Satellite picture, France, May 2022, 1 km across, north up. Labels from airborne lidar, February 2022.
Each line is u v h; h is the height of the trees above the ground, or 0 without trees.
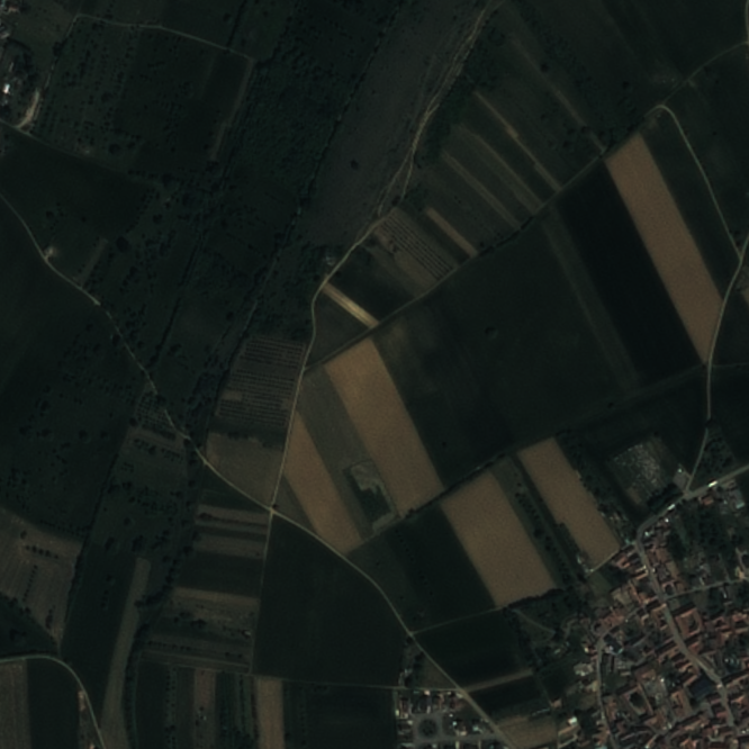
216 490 0
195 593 0
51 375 0
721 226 0
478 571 0
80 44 0
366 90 0
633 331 0
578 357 0
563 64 10
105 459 0
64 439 0
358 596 0
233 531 0
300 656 0
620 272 0
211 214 11
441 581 0
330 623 0
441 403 0
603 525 0
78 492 0
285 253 0
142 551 12
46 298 0
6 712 0
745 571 0
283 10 0
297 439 0
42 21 0
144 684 0
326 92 7
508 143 0
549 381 0
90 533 9
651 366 0
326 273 0
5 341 0
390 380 0
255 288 8
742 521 0
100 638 0
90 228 0
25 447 0
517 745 0
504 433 0
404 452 0
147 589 0
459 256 0
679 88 0
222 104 0
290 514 0
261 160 6
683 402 0
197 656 0
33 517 0
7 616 0
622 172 0
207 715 0
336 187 0
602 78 0
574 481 0
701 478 0
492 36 11
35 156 0
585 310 0
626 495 0
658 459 0
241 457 0
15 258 0
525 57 0
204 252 11
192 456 6
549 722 0
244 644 0
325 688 6
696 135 0
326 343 0
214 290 6
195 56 0
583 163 0
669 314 0
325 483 0
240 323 0
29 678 0
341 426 0
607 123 10
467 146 0
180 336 0
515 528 0
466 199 0
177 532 0
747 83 0
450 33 0
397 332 0
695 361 0
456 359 0
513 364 0
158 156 0
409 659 0
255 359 0
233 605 0
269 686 0
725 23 0
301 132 6
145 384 0
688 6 0
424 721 0
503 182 0
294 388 0
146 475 0
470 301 0
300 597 0
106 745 0
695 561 0
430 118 0
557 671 0
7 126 0
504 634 0
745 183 0
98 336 0
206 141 0
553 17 0
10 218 0
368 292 0
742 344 0
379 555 0
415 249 0
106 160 0
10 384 0
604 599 0
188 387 0
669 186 0
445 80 0
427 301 0
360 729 0
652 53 0
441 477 0
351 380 0
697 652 0
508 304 0
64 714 0
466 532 0
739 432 0
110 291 0
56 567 0
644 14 0
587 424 0
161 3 0
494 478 0
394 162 0
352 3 11
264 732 0
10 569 0
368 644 0
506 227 0
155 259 9
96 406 0
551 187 0
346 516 0
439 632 0
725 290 0
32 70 12
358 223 0
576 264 0
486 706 0
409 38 0
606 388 0
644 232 0
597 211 0
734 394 0
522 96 0
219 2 0
